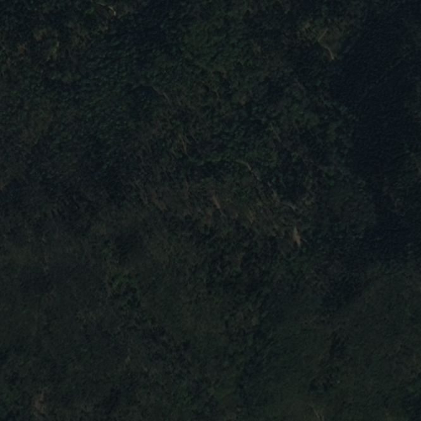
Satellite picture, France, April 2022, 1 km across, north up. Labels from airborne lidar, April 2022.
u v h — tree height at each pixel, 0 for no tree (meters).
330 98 28
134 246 28
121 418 20
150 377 21
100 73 31
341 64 25
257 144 29
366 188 19
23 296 25
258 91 40
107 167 21
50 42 27
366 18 29
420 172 27
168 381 24
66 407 25
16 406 25
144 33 30
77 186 32
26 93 28
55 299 21
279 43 34
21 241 21
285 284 26
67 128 36
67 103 32
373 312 19
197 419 31
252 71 36
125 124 30
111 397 25
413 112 21
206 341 24
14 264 12
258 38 31
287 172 40
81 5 31
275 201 37
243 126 32
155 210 21
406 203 24
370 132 25
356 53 26
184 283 26
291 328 19
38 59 34
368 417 21
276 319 30
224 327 28
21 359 27
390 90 22
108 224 18
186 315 22
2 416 11
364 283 20
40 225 22
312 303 25
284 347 23
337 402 21
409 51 24
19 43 25
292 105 39
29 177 30
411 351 16
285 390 16
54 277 25
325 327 23
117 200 21
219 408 28
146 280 25
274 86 29
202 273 26
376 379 21
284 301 28
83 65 31
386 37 22
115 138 26
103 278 25
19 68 37
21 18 28
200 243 25
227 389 29
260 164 33
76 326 20
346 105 24
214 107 8
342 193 22
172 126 16
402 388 23
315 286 20
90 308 23
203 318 26
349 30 27
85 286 25
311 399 20
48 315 21
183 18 24
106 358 26
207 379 33
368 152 22
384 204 33
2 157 28
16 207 30
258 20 29
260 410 25
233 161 32
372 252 28
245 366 18
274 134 28
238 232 23
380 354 20
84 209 30
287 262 25
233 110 40
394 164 32
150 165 29
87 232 21
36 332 21
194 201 9
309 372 22
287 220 20
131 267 23
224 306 30
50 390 24
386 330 21
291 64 36
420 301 17
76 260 22
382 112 25
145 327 26
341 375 13
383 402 23
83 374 23
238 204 14
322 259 22
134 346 26
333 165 38
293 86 32
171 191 20
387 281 18
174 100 26
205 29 38
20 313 22
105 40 33
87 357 24
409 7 25
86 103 35
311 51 34
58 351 19
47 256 16
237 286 18
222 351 30
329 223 16
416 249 23
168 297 21
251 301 29
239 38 29
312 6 27
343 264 21
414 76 26
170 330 22
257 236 25
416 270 15
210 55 38
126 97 28
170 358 28
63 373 23
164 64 31
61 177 31
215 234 27
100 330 25
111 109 30
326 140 35
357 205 22
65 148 32
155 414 21
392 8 21
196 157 32
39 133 35
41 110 28
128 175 20
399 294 17
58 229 22
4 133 32
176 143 22
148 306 22
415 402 33
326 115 34
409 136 38
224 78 38
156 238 22
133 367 25
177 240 18
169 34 29
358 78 23
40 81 32
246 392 27
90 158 30
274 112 30
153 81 30
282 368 20
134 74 26
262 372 26
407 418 24
